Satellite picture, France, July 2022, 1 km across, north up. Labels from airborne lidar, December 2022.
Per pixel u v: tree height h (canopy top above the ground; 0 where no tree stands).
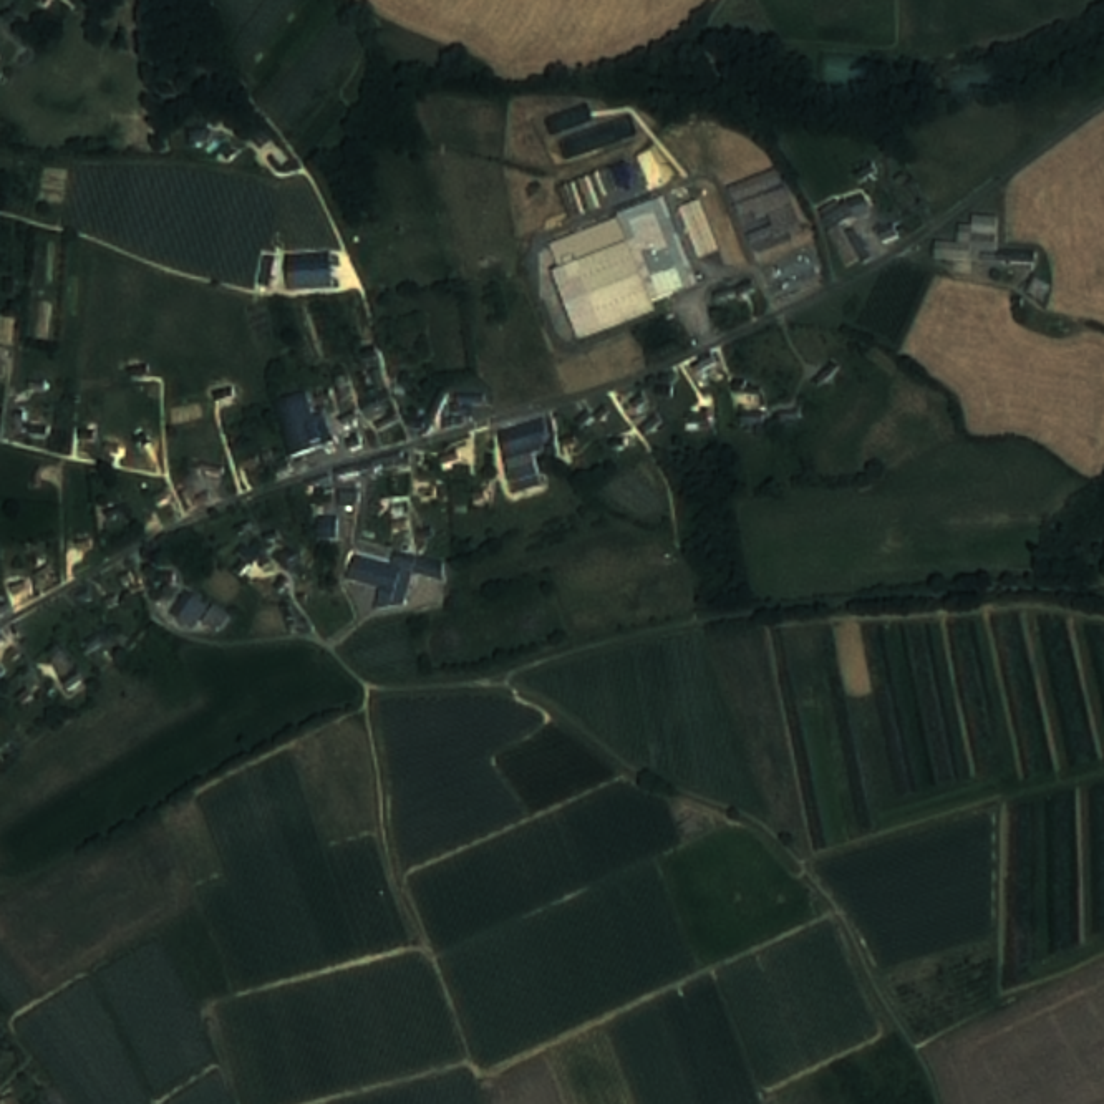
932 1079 0
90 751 0
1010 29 0
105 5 19
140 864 0
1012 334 0
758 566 0
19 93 0
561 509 0
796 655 0
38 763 0
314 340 0
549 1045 0
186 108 19
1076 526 7
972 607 14
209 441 0
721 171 0
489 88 18
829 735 0
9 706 12
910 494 0
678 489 8
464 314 7
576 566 0
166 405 0
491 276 0
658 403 0
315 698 0
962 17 0
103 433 0
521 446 0
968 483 0
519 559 0
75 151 16
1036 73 12
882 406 0
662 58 17
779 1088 0
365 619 0
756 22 0
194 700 0
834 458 0
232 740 0
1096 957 0
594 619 0
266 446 0
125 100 0
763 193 0
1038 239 0
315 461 0
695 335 0
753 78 21
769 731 0
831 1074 0
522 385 0
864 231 0
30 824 0
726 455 18
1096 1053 0
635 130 0
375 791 0
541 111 0
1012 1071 0
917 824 0
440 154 0
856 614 11
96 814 0
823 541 0
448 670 8
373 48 22
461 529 0
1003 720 0
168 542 12
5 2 0
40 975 0
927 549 0
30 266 8
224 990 0
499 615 0
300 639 0
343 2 10
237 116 21
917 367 15
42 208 11
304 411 0
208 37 21
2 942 0
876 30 0
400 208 0
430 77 20
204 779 8
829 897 0
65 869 0
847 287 0
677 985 0
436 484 0
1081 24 7
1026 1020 0
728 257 0
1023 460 0
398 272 0
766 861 0
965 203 0
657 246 0
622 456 0
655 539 0
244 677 0
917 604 12
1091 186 0
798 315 0
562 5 0
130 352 0
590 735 0
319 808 0
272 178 0
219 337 0
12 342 0
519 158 0
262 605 0
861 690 0
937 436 0
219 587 0
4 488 0
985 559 0
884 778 0
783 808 0
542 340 0
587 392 0
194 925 0
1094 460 0
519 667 0
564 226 0
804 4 0
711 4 11
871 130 24
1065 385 0
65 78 0
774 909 0
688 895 0
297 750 0
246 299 0
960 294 0
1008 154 0
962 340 0
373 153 11
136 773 0
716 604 14
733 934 0
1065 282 0
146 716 0
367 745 0
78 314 0
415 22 0
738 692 0
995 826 0
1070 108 0
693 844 0
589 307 0
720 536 6
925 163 0
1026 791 0
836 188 0
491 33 0
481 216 0
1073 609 6
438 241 0
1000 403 0
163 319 0
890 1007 0
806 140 0
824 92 20
